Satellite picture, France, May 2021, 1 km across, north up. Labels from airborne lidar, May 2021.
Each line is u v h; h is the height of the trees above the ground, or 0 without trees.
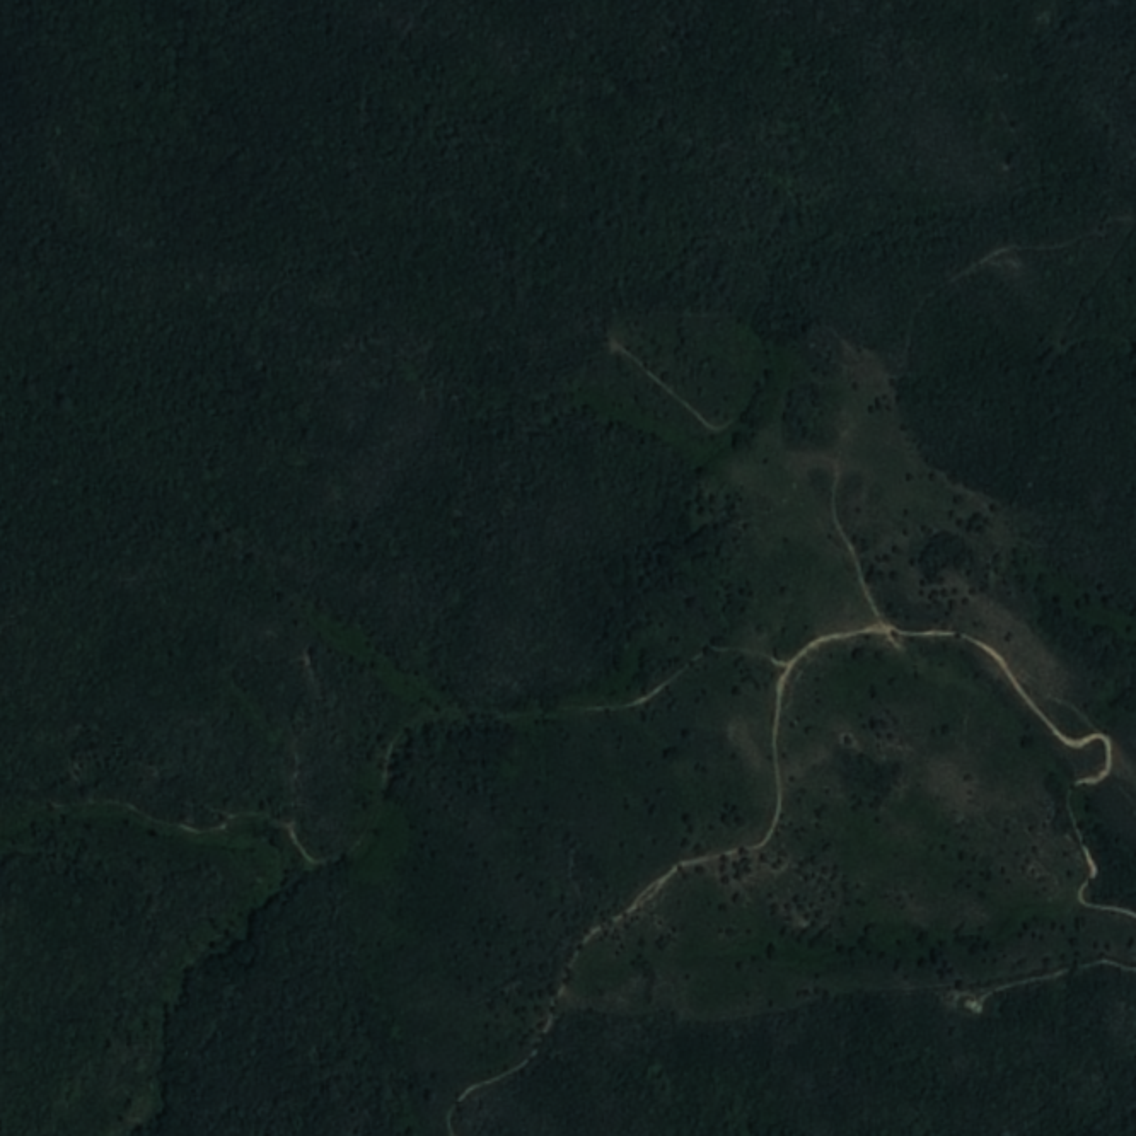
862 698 0
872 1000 7
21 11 14
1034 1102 8
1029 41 12
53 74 12
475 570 9
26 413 14
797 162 8
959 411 8
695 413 0
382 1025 8
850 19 7
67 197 8
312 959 9
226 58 12
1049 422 9
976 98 8
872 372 0
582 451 9
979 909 0
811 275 10
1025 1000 6
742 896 7
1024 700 0
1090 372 11
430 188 9
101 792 7
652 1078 10
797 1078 6
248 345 8
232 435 11
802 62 12
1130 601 6
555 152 9
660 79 11
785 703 0
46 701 11
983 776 0
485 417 8
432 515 10
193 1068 9
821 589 0
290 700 5
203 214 12
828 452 0
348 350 7
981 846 0
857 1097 7
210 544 13
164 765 8
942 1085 10
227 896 12
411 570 12
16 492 9
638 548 15
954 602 7
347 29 10
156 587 8
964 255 6
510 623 6
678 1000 0
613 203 15
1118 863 8
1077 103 10
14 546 8
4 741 10
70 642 7
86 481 9
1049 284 7
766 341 9
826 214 7
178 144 17
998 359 8
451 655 9
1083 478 8
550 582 10
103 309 9
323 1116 9
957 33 9
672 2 10
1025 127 7
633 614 16
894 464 0
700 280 12
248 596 9
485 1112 6
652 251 7
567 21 7
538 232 10
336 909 10
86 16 15
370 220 9
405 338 10
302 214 10
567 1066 7
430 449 10
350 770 7
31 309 12
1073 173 11
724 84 10
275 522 13
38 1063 9
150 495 11
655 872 0
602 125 10
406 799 8
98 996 11
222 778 7
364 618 11
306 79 10
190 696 9
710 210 10
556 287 7
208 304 8
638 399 8
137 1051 9
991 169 6
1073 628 9
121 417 10
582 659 6
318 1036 8
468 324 10
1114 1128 11
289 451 10
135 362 12
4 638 7
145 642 11
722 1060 7
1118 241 5
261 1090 6
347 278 10
